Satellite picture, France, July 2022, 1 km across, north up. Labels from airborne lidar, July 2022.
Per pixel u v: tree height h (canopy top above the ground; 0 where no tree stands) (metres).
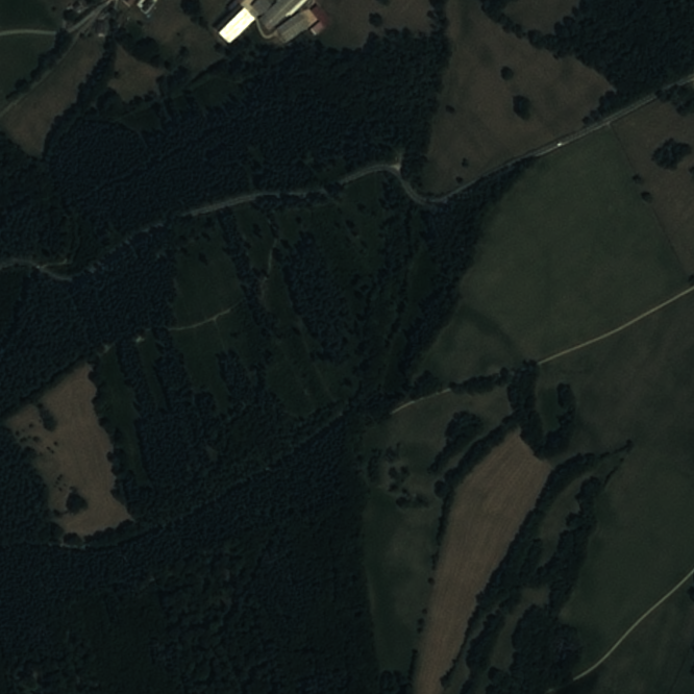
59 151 22
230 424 8
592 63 21
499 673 17
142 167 21
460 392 13
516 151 0
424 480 0
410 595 0
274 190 22
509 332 0
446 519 10
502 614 13
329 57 23
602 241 0
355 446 18
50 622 17
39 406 7
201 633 33
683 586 0
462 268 15
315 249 31
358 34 0
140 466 0
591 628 0
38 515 30
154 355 0
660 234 0
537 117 0
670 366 0
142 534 14
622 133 0
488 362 0
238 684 17
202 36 0
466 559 0
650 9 17
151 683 11
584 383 0
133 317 21
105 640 13
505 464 0
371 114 15
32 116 0
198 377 0
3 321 6
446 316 17
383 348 23
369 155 22
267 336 19
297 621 20
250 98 12
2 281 6
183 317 0
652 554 0
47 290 27
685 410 0
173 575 25
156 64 24
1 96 0
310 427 10
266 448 14
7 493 33
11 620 22
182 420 19
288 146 20
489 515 0
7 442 28
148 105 7
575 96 0
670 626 0
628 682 0
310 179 22
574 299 0
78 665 23
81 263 7
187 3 15
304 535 15
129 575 24
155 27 0
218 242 0
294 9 0
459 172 0
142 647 9
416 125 15
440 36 14
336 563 26
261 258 0
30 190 16
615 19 18
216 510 20
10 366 23
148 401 22
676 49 16
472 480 0
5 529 29
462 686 0
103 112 18
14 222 31
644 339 0
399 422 0
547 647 24
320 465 15
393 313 22
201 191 20
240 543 13
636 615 0
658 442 0
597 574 0
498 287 0
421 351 17
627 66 25
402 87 13
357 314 0
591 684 0
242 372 22
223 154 23
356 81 16
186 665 20
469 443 15
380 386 20
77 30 0
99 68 12
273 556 21
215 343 0
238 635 18
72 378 0
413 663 7
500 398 0
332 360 28
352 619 27
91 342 15
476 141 0
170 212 15
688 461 0
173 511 13
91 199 17
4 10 0
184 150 19
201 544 19
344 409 11
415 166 19
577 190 0
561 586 13
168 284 23
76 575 17
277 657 19
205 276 0
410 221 22
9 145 23
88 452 0
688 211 0
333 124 19
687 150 15
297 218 0
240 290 0
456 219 10
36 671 19
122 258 21
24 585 18
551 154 0
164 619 8
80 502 17
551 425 0
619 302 0
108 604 18
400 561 0
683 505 0
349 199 0
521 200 0
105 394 19
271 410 13
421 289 0
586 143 0
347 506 27
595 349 0
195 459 23
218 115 16
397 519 0
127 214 24
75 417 0
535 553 17
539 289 0
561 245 0
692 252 0
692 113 9
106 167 22
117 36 13
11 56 0
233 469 15
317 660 22
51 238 23
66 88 0
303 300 29
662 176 0
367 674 29
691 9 16
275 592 20
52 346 23
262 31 0
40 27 0
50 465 0
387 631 0
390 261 20
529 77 0
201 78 9
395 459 20
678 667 0
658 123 0
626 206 0
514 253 0
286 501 9
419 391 22
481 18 0
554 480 19
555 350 0
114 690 10
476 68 0
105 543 20
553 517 0
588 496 17
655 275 0
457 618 0
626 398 0
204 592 18
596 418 0
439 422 0
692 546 0
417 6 0
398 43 17
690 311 0
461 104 0
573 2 0
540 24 0
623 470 0
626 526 0
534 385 17
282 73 19
